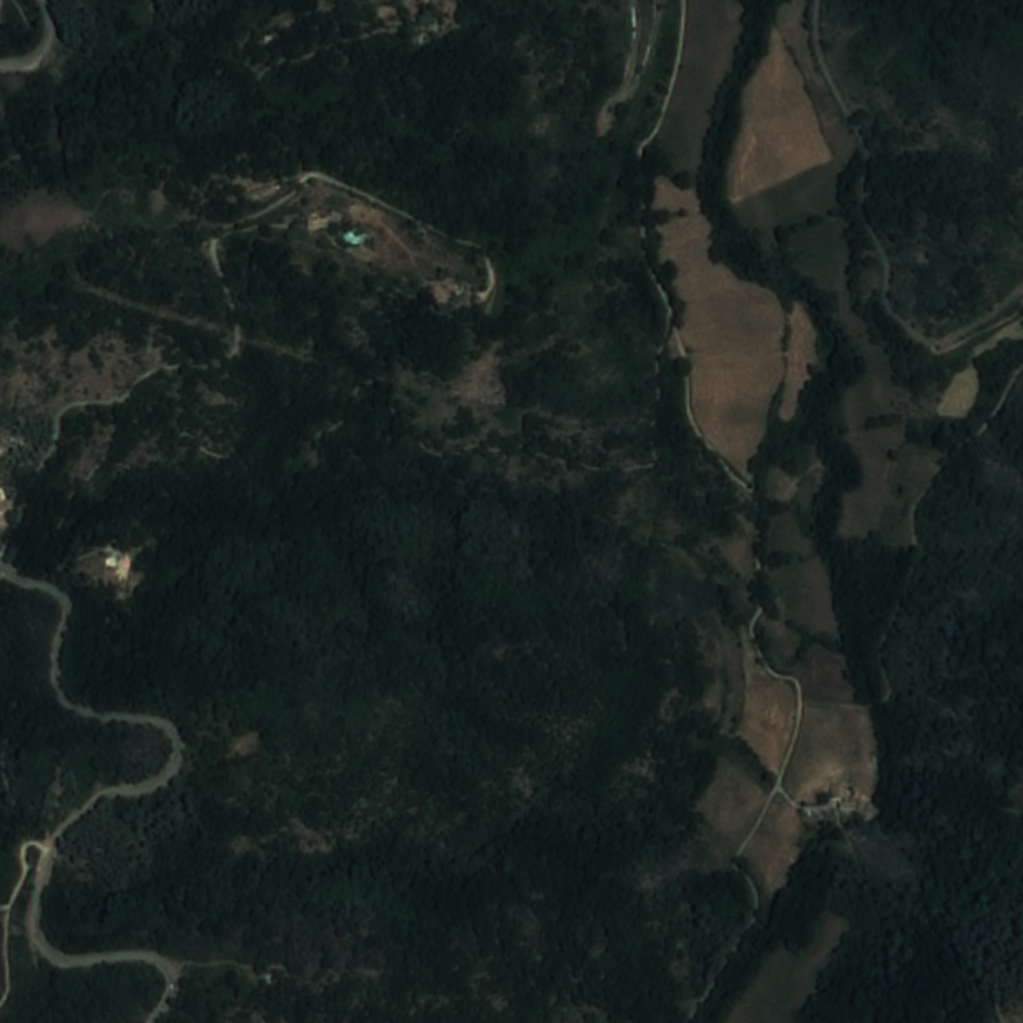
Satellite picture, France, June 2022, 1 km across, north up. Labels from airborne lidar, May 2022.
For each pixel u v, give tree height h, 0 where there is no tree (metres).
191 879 10
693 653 12
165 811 25
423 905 9
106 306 12
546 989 11
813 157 0
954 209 8
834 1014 15
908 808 12
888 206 11
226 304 9
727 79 12
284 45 10
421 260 0
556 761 8
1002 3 9
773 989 0
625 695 14
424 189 9
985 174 7
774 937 17
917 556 18
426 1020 10
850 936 8
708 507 7
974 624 11
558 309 7
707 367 0
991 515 7
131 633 16
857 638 18
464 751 7
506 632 11
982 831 13
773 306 0
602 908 14
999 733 8
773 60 0
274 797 8
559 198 10
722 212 16
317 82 10
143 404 8
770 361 0
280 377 12
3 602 8
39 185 7
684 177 13
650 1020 19
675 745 14
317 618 6
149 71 11
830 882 7
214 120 25
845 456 15
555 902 10
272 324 11
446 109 17
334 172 10
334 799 11
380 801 6
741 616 7
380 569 10
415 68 16
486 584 11
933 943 11
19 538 13
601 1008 15
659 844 8
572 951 9
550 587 10
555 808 8
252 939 7
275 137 7
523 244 8
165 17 19
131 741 6
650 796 10
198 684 13
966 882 6
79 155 14
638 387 10
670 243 0
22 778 9
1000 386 9
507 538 23
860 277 8
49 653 9
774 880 0
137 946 6
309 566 11
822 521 16
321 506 20
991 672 7
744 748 7
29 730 10
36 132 12
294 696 7
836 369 20
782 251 9
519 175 8
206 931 10
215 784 6
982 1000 11
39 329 10
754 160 0
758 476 11
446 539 10
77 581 10
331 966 9
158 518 9
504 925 10
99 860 21
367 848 12
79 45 24
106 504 17
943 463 11
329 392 11
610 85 10
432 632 12
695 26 0
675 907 14
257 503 9
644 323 8
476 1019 10
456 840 10
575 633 8
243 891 7
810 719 0
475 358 14
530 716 10
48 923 10
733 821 0
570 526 9
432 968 11
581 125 12
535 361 9
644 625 14
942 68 10
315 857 11
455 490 14
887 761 14
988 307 8
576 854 8
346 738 7
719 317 0
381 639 12
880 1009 17
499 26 10
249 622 15
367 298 6
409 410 6
